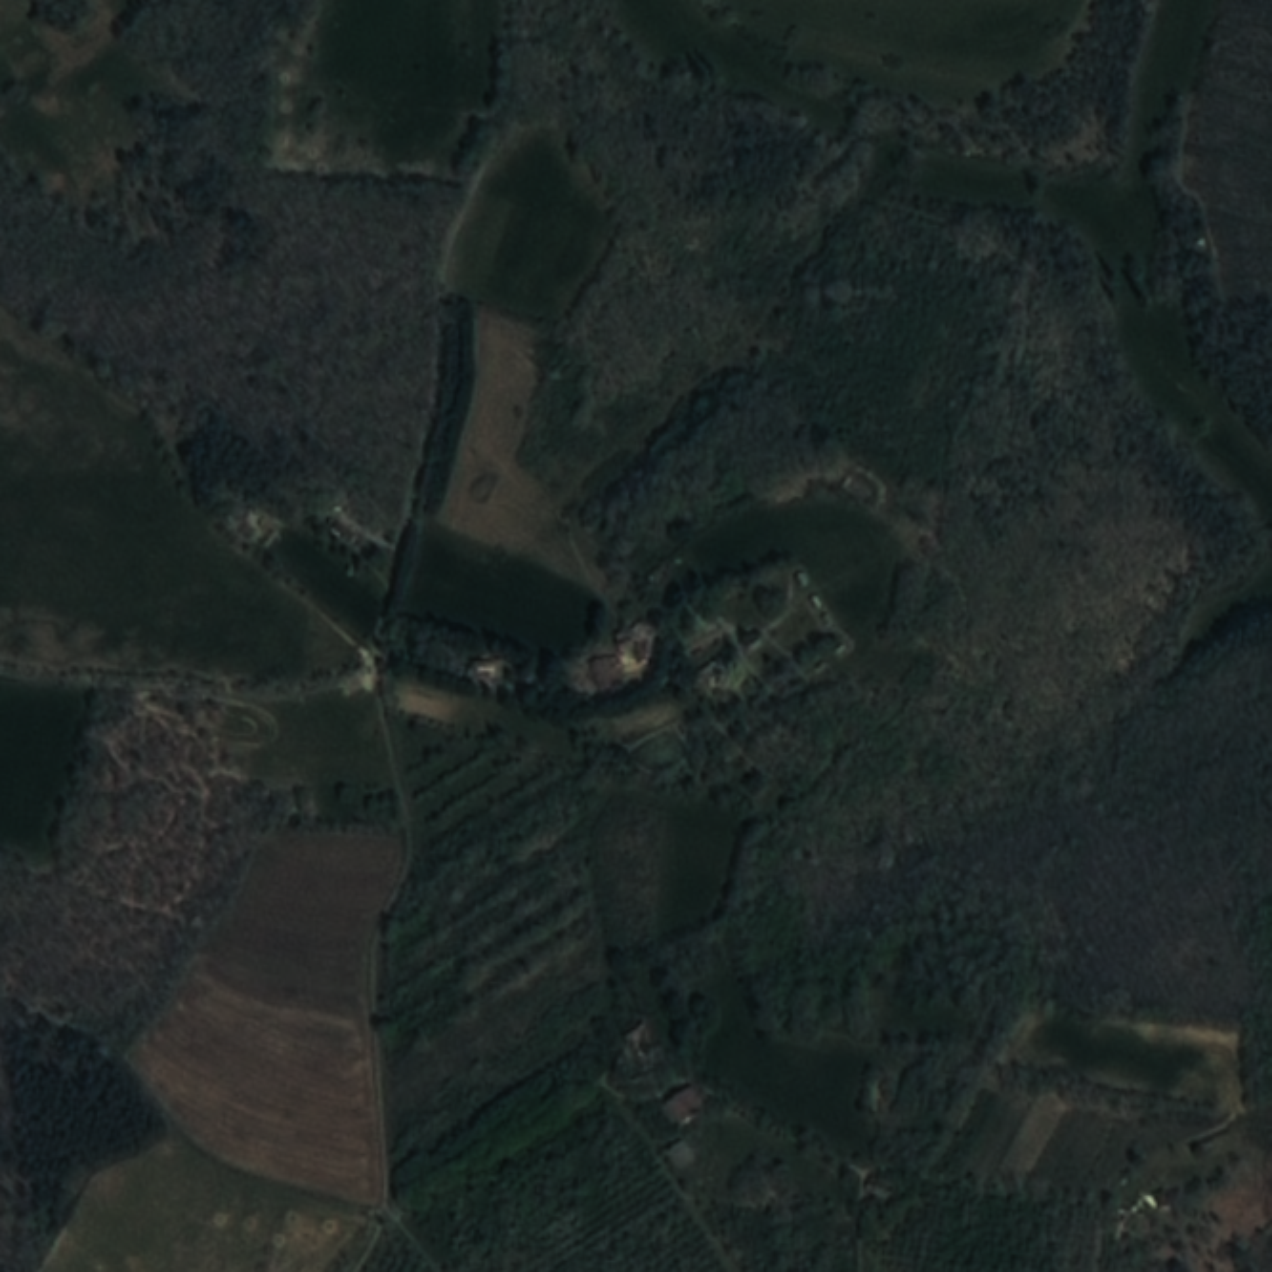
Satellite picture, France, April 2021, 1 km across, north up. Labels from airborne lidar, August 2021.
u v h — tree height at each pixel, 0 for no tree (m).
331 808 0
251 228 24
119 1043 16
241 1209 0
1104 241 0
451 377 15
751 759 16
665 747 0
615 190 11
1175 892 14
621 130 15
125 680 10
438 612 0
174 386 19
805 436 7
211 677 0
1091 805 16
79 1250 0
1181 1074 0
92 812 16
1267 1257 9
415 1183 13
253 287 17
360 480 20
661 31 0
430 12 0
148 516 0
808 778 21
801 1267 9
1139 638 7
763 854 18
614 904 5
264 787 11
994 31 0
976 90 0
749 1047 0
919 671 11
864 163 20
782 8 0
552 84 8
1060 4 0
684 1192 12
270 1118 0
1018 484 14
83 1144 19
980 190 0
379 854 0
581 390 12
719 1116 12
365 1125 0
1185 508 13
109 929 13
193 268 14
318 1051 0
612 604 0
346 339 16
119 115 0
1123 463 15
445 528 0
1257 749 15
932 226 6
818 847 16
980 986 23
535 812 14
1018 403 19
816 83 20
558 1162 12
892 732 15
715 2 12
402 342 17
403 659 13
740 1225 9
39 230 20
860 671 0
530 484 0
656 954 12
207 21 20
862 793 24
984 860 21
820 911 19
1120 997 20
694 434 16
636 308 17
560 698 19
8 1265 13
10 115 0
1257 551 17
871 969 21
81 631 0
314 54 8
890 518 0
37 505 0
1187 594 10
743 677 16
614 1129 12
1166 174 21
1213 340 20
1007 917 20
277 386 18
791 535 0
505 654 22
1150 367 0
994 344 16
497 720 0
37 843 0
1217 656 19
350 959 0
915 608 14
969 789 18
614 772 8
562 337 9
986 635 14
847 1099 0
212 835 7
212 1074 0
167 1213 0
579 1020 6
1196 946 17
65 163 0
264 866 0
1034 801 19
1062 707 14
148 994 20
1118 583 8
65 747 0
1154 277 13
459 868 10
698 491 21
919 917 17
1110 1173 0
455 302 8
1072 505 12
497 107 15
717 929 15
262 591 0
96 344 16
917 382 7
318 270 15
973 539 16
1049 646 15
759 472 21
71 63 0
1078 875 19
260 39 18
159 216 13
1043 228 15
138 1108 18
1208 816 13
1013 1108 0
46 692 0
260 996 0
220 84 17
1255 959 16
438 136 0
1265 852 13
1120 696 17
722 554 0
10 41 0
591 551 0
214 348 17
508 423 0
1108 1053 0
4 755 0
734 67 0
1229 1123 0
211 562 0
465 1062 0
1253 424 20
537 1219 6
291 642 0
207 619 0
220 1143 0
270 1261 0
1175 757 11
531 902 12
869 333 7
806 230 14
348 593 0
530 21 13
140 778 14
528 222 0
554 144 0
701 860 0
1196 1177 0
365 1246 16
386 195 20
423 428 16
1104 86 13
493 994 11
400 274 16
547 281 0
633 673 0
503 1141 18
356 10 0
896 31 0
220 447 24
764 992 26
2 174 21
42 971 13
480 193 0
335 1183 0
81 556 0
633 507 18
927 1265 7
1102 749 22
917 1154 7
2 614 0
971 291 7
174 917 11
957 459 12
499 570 0
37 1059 17
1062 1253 13
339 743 0
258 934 0
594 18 6
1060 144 12
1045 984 27
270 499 24
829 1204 6
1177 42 0
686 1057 20
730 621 0
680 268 9
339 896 0
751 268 10
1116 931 17
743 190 9
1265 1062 12
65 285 19
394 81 0
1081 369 15
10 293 17
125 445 0
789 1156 0
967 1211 13
